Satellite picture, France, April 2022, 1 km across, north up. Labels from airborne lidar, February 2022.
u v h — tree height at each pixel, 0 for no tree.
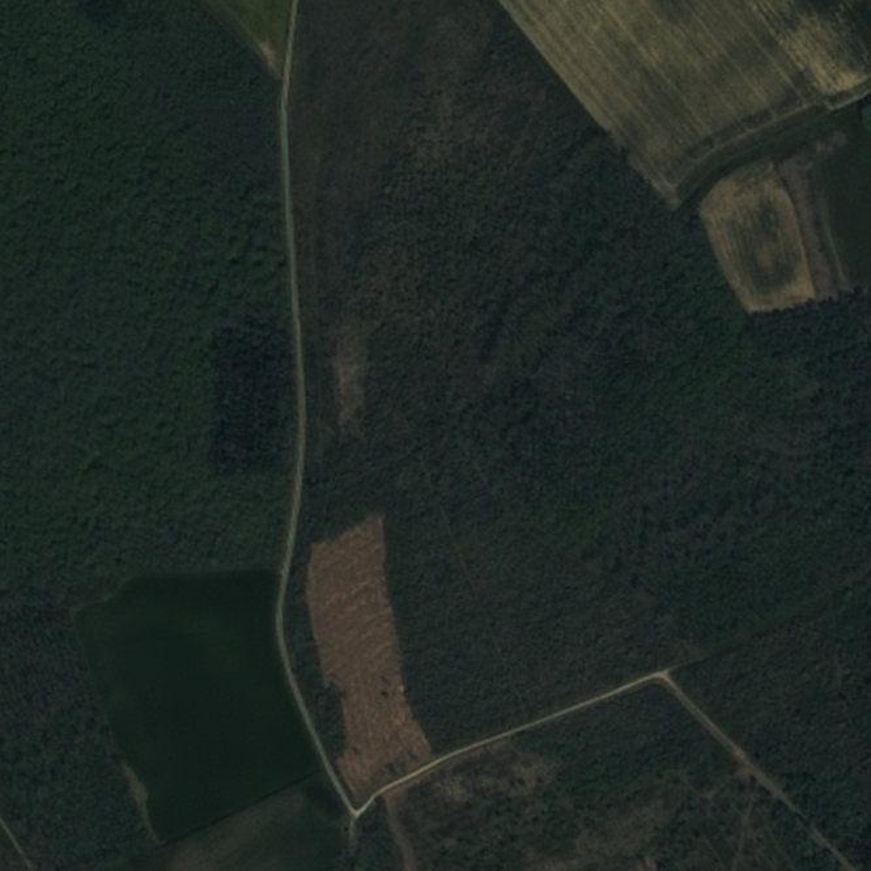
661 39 0
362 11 0
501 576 6
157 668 0
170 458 22
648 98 0
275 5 0
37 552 23
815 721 10
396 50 0
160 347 23
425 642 6
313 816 0
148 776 0
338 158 0
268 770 0
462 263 8
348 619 0
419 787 0
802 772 7
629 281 31
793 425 22
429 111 6
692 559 9
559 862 0
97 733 6
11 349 26
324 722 5
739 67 0
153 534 18
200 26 12
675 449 16
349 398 0
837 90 0
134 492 23
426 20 0
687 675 6
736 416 20
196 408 27
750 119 0
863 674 9
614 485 19
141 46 12
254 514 18
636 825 0
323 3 0
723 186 0
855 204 0
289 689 0
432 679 8
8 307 25
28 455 23
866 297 17
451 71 0
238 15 0
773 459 16
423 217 12
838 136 0
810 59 0
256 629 0
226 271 28
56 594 22
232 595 0
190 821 0
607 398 21
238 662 0
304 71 0
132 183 20
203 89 11
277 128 6
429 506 7
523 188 6
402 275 6
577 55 0
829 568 12
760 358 18
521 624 6
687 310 18
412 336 7
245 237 28
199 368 21
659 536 30
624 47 0
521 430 10
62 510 25
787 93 0
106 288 28
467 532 6
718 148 0
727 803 0
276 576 0
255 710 0
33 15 17
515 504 15
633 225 12
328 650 0
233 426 14
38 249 19
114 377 25
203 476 23
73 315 26
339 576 0
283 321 24
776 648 6
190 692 0
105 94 18
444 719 8
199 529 16
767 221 0
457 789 0
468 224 9
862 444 18
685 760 6
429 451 8
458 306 6
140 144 23
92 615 0
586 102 0
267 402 27
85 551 18
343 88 0
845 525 26
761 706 6
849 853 17
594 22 0
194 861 0
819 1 0
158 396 25
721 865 12
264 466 23
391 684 16
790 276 0
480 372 0
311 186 0
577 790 8
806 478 14
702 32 0
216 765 0
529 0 0
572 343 25
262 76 7
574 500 19
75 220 14
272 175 13
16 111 17
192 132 21
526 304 30
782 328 26
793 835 20
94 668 0
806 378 21
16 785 6
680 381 20
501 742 0
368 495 6
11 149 21
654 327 18
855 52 0
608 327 25
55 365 26
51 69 16
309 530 6
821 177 0
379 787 0
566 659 10
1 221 21
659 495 23
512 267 6
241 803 0
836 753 9
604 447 23
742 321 18
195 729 0
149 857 0
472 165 8
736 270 0
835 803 10
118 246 25
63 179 22
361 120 0
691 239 20
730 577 7
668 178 0
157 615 0
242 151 16
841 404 19
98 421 25
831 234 0
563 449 19
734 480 6
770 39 0
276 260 28
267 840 0
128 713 0
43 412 27
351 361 0
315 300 0
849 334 25
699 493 5
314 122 0
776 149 0
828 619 7
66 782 8
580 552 20
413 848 0
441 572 6
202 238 28
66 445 26
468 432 6
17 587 16
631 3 0
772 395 19
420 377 7
